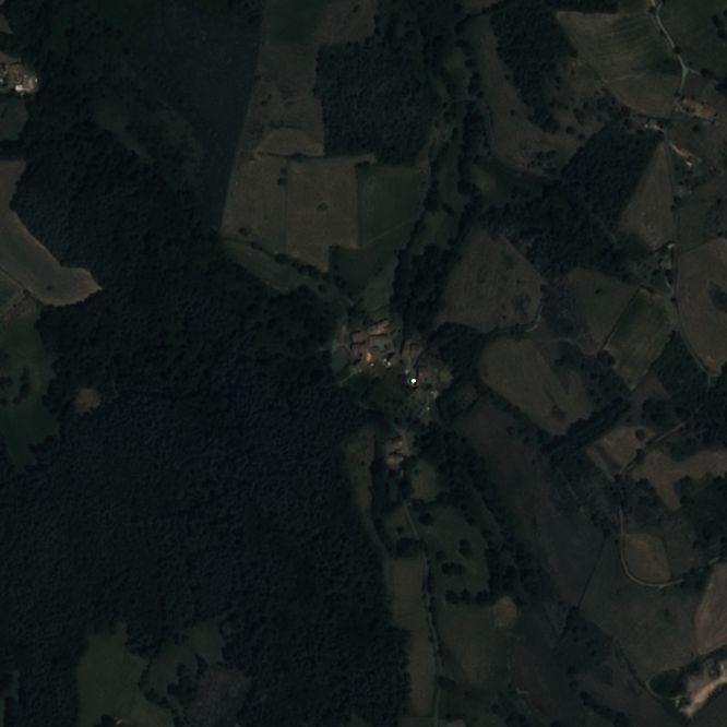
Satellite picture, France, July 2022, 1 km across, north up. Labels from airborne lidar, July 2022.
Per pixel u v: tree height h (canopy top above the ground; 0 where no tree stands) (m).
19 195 14
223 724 0
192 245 27
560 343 0
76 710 20
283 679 15
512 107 0
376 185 0
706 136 0
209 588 22
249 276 16
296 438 29
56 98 26
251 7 13
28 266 0
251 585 29
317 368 12
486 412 0
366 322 6
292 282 0
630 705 0
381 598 14
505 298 0
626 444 0
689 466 0
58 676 22
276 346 0
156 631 18
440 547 0
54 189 15
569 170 15
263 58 0
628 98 0
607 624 0
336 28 0
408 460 17
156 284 23
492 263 0
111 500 19
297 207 0
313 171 0
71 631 28
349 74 9
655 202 0
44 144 25
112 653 0
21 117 0
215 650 0
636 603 0
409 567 0
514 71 11
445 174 0
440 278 18
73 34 18
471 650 0
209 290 18
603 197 15
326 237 0
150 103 7
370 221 0
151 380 13
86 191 28
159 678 0
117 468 17
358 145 13
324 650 14
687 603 0
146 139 9
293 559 22
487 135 6
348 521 17
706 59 0
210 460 23
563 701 0
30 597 20
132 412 27
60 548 19
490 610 0
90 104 10
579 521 0
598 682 0
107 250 20
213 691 0
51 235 17
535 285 0
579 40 0
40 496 19
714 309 0
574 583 0
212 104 0
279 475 24
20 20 20
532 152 0
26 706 30
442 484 0
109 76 8
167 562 30
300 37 0
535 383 0
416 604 0
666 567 0
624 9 0
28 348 0
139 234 20
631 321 0
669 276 11
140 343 10
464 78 0
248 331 25
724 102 0
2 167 0
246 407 35
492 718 0
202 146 0
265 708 16
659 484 0
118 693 0
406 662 16
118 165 14
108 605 24
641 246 0
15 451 0
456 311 0
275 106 0
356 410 37
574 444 23
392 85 8
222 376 21
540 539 0
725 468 0
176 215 27
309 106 0
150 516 27
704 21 0
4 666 15
